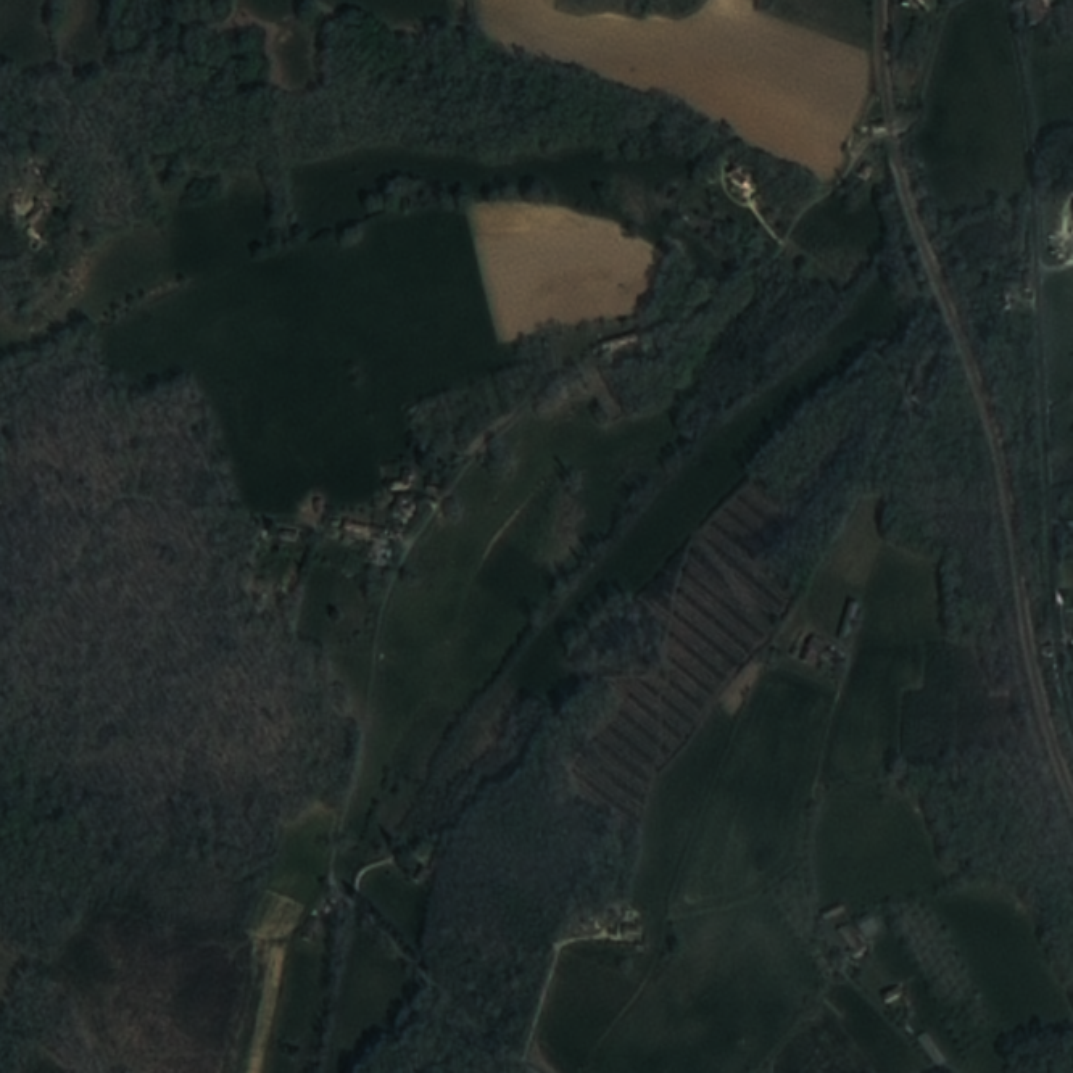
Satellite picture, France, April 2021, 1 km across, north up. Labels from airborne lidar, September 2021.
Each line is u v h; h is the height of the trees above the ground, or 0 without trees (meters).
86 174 22
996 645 23
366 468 0
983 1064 0
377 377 0
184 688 24
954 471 23
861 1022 0
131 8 23
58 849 25
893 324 0
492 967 13
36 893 27
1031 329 10
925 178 6
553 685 0
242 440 0
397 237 0
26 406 18
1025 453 22
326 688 21
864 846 0
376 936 20
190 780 15
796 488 12
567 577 11
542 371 12
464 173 0
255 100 25
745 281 23
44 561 21
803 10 0
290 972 0
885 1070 0
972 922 0
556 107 24
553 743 25
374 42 20
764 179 18
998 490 12
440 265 0
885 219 15
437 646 0
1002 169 0
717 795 0
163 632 17
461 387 0
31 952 22
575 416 0
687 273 22
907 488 22
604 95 23
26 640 18
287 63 0
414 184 17
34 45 0
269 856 22
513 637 0
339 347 0
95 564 19
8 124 27
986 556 21
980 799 26
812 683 0
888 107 0
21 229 9
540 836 14
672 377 22
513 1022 21
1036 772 21
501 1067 31
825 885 0
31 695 17
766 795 0
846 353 0
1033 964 0
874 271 14
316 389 0
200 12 19
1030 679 14
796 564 20
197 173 20
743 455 0
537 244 0
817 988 7
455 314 0
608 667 24
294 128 28
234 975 7
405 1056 21
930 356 15
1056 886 23
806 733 0
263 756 21
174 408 19
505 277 0
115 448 18
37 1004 20
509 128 27
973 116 0
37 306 15
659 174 0
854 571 0
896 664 0
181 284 10
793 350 28
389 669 0
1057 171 20
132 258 0
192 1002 7
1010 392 23
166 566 22
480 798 11
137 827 22
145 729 21
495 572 0
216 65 27
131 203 26
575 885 14
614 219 0
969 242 9
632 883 14
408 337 0
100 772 19
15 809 25
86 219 20
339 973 18
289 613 21
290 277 0
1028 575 17
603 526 0
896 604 0
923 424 19
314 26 14
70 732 16
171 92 26
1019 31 17
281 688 21
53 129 24
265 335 0
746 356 15
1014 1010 0
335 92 24
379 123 26
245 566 20
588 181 0
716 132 18
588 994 0
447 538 0
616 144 19
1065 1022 0
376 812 9
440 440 13
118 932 8
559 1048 0
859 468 18
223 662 21
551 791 21
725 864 0
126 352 0
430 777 9
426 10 0
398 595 0
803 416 25
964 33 0
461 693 0
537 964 15
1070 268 0
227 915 19
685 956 11
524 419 0
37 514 18
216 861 22
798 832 0
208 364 0
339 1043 0
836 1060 0
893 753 0
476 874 13
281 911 0
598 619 27
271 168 27
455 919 14
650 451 0
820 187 21
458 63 24
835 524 20
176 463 15
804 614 0
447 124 29
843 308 16
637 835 17
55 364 23
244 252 0
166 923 19
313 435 0
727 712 0
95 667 18
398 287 0
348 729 15
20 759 27
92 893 27
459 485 0
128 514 18
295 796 19
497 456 18
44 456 19
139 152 26
